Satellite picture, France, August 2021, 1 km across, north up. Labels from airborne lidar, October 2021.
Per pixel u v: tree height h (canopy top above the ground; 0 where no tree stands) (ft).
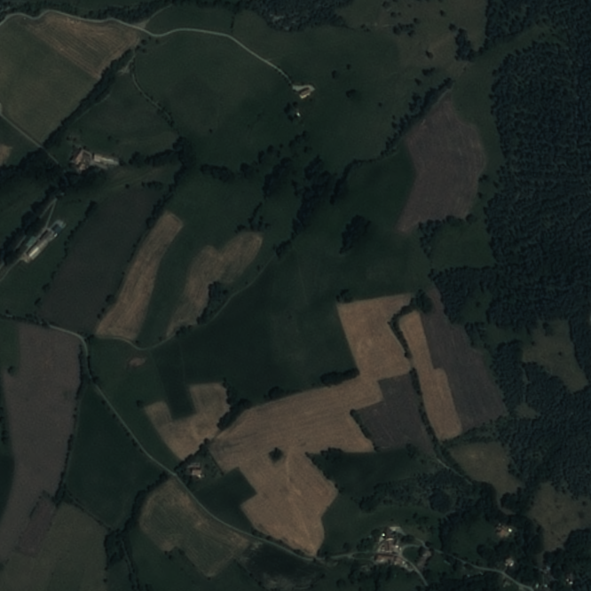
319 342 0
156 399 0
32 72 0
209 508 0
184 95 0
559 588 39
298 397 0
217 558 0
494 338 0
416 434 0
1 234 0
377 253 0
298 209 0
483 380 0
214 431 0
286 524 0
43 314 0
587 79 47
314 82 0
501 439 35
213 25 0
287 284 0
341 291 0
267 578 0
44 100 0
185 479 26
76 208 0
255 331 0
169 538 0
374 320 0
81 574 0
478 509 60
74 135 0
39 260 0
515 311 54
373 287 0
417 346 0
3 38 0
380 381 0
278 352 0
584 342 48
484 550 57
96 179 49
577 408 32
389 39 0
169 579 0
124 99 0
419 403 0
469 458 0
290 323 0
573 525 0
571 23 46
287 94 0
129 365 0
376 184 0
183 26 0
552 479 34
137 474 0
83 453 0
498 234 62
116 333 0
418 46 0
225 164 0
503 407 0
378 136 0
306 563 0
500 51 0
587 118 38
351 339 0
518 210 38
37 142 0
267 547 0
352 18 0
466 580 32
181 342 0
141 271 0
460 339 0
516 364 48
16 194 0
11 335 0
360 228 69
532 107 52
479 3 0
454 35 0
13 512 0
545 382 33
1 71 0
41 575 0
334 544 0
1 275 0
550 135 55
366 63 0
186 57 0
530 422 35
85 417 0
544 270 37
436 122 0
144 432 0
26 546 0
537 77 44
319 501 0
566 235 33
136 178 0
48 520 0
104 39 0
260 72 0
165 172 0
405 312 37
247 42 0
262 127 0
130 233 0
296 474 0
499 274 40
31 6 24
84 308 0
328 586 0
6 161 0
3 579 0
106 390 0
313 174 45
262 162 39
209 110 0
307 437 0
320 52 0
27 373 0
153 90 0
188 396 0
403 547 0
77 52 0
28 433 0
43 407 0
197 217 0
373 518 0
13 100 0
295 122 65
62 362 0
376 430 0
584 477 28
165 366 0
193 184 0
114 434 0
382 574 55
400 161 0
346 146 0
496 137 0
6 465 0
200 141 0
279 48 0
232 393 42
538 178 51
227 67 0
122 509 0
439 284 44
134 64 19
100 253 0
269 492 0
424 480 30
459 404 0
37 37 0
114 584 0
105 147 0
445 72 0
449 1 0
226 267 0
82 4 0
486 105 0
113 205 0
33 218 60
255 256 0
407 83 0
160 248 0
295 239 29
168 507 0
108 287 0
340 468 0
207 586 0
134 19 27
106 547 36
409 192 0
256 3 28
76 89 0
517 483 0
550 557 65
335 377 58
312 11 19
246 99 0
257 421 0
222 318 0
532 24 34
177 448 0
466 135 0
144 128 0
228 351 0
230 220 0
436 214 0
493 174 0
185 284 0
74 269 0
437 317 0
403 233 0
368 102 0
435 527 25
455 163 0
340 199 51
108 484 0
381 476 0
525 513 61
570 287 51
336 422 0
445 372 0
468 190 0
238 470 0
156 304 0
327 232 0
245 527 0
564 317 30
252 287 0
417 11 0
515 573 20
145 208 0
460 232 0
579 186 37
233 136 0
